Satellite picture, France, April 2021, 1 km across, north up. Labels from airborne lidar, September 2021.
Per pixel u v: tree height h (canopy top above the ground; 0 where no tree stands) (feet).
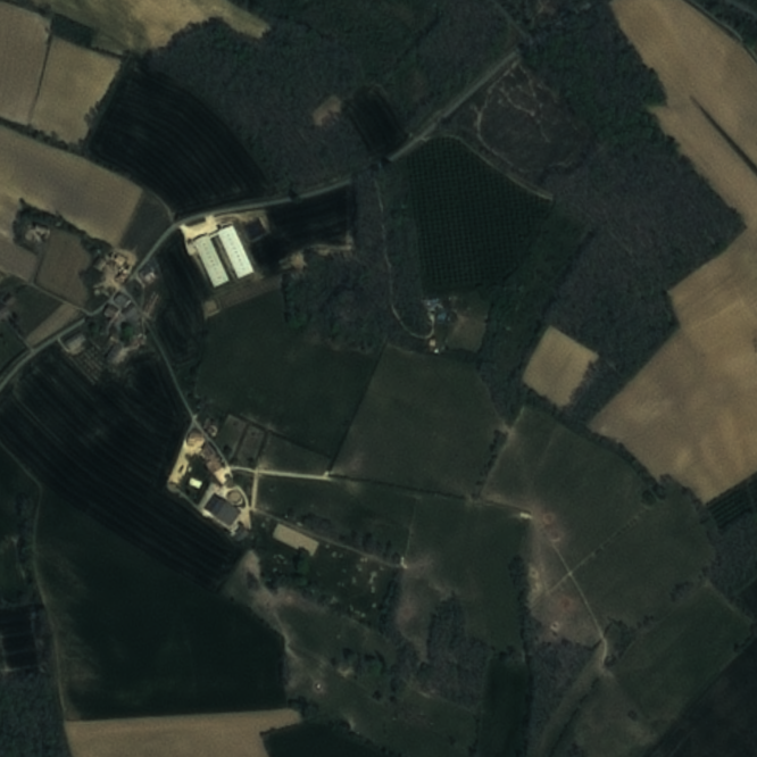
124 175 31
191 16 0
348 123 63
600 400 71
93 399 0
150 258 0
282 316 0
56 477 0
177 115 0
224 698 0
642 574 0
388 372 0
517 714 0
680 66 0
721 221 61
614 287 61
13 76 0
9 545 0
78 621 0
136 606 0
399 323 68
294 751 0
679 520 0
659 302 55
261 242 0
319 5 29
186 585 0
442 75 75
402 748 0
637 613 0
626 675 0
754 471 0
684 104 0
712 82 0
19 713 59
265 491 0
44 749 53
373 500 0
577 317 56
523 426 0
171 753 0
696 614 0
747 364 0
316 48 76
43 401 0
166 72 43
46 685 80
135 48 0
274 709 0
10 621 0
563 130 0
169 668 0
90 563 0
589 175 62
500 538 0
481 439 0
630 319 69
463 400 0
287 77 64
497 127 0
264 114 61
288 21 47
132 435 0
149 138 0
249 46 73
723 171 0
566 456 0
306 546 0
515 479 0
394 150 0
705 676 0
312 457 0
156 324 0
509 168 54
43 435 0
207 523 0
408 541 0
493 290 20
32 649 0
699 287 0
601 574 0
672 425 0
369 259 53
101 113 41
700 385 0
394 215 41
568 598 0
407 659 61
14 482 0
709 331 0
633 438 0
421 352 40
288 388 0
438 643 53
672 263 62
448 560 0
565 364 0
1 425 0
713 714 0
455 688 62
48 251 0
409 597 0
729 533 63
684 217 59
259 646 0
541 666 52
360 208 46
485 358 28
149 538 0
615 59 76
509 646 0
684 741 0
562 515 0
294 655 0
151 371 0
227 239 0
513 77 0
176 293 0
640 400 0
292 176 65
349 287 60
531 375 0
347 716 0
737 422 0
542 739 42
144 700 0
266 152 51
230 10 0
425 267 18
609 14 59
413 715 37
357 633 0
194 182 0
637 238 48
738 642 0
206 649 0
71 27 30
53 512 0
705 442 0
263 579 26
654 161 64
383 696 39
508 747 0
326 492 0
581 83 91
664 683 0
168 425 0
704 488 0
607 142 81
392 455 0
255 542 22
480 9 74
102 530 0
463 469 0
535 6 46
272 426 0
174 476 0
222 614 0
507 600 0
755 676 0
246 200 0
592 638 0
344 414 0
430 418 0
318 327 42
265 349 0
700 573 0
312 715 97
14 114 0
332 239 0
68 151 29
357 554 0
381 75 27
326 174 53
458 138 52
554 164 0
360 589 0
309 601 51
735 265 0
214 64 69
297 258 0
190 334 0
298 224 0
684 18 0
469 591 0
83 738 0
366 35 30
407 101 29
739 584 24
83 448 0
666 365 0
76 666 0
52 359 0
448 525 0
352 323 52
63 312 0
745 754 0
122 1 0
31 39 0
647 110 63
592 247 57
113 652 0
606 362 62
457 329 0
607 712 0
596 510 0
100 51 21
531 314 23
